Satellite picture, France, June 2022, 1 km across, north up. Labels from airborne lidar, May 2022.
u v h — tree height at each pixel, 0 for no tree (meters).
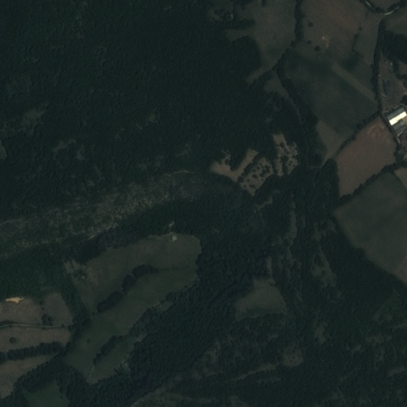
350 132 0
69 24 11
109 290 0
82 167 11
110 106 10
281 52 0
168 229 9
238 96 10
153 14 11
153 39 13
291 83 10
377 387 12
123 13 13
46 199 8
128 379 9
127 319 0
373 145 0
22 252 7
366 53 0
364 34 0
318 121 9
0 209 10
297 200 17
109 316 0
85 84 11
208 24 14
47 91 13
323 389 13
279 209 14
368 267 13
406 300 10
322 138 0
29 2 12
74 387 17
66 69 11
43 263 9
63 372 17
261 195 15
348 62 0
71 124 12
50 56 12
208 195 6
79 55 12
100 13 11
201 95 13
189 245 0
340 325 11
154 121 6
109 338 0
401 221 0
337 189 13
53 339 0
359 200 0
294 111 12
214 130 13
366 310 9
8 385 0
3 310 0
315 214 14
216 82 11
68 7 11
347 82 0
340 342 8
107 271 0
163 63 12
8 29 18
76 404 24
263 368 0
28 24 11
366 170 0
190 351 14
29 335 0
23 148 13
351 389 11
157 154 11
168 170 8
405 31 0
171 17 10
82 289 0
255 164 9
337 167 12
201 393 7
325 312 12
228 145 13
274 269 8
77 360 0
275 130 11
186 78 11
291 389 10
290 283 6
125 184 8
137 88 13
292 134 13
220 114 13
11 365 0
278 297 0
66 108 11
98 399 17
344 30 0
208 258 23
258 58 15
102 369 0
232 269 23
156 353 21
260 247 15
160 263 0
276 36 0
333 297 10
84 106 11
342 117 0
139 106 11
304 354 8
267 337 9
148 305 0
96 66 13
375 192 0
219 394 9
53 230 6
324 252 9
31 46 11
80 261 20
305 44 0
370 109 0
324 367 12
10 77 11
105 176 10
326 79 0
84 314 14
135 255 0
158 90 9
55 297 0
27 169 12
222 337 8
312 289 11
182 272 0
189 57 12
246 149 13
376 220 0
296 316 6
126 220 7
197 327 11
